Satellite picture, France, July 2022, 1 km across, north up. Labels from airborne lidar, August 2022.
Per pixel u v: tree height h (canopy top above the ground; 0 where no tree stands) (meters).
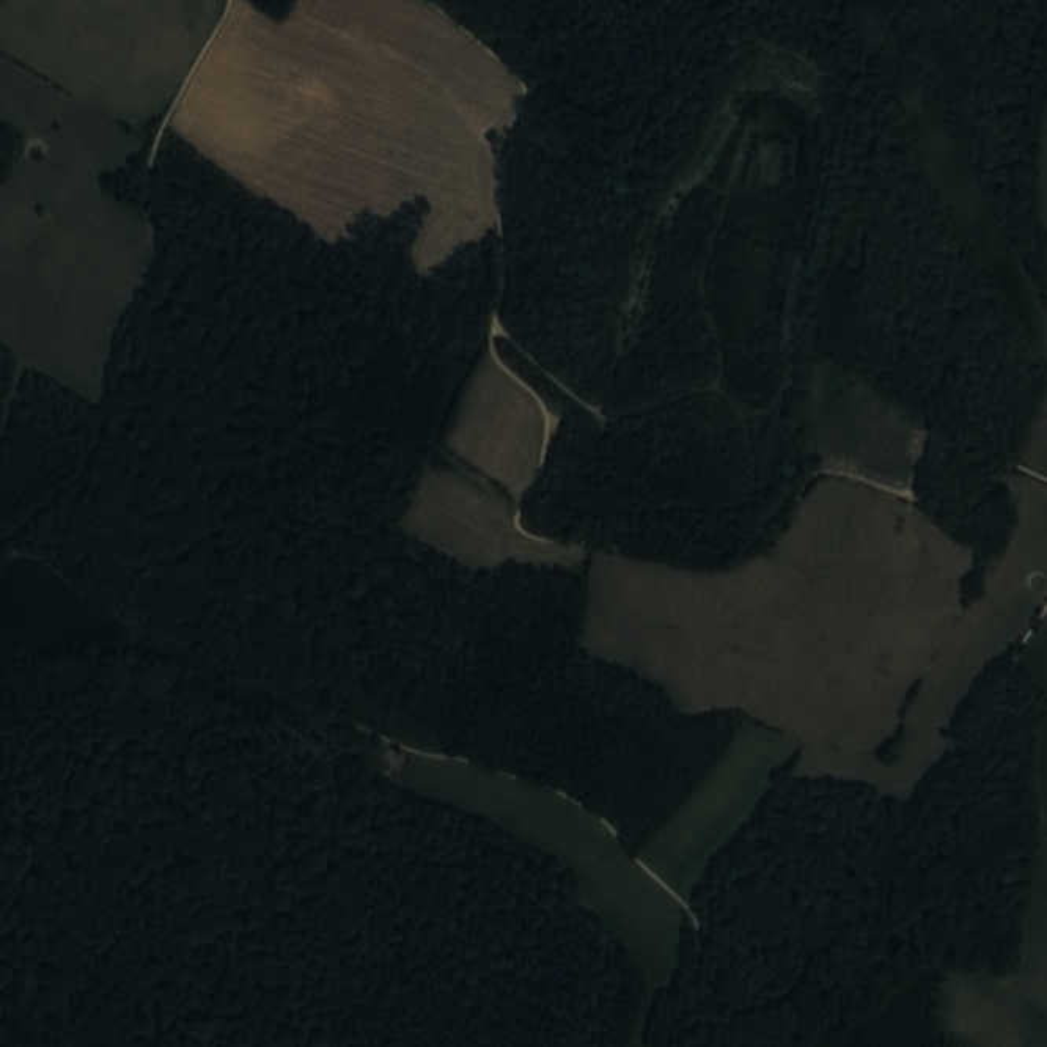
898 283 15
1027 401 20
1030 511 0
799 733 0
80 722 22
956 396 22
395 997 18
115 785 28
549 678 16
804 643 0
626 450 16
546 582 25
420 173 0
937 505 14
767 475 8
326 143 0
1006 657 12
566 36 22
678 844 0
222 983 30
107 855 26
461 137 0
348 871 29
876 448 0
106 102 0
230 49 0
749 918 22
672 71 21
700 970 20
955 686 0
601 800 16
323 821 27
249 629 28
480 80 0
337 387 30
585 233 28
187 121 0
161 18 0
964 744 18
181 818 27
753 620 0
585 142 8
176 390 24
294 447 26
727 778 0
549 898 22
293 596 30
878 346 19
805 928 22
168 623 23
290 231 19
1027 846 21
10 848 26
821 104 6
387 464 25
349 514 29
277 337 25
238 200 8
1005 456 17
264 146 0
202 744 19
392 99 0
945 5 17
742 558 21
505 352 14
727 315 6
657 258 8
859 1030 7
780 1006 22
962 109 15
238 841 26
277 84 0
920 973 7
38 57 0
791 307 6
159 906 24
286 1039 28
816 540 0
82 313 0
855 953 24
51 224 0
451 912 20
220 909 27
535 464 0
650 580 0
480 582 18
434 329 19
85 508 23
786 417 17
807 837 21
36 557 20
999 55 23
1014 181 16
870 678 0
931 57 15
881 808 21
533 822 0
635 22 18
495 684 23
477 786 0
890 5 15
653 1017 12
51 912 24
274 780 26
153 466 26
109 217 0
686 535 23
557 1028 18
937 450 17
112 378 17
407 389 24
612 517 29
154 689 26
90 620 11
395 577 24
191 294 22
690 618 0
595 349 20
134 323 18
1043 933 0
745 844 17
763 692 0
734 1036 25
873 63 11
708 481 11
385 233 23
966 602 11
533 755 17
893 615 0
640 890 0
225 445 22
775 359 17
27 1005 28
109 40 0
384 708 7
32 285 0
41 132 0
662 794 18
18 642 9
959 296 21
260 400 26
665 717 23
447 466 12
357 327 13
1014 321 9
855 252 12
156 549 27
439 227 0
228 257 30
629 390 12
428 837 20
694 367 13
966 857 26
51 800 30
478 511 0
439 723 24
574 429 16
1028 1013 0
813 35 18
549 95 16
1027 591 0
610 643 0
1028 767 20
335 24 0
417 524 0
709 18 26
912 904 28
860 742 0
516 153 14
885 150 17
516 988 23
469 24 16
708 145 10
